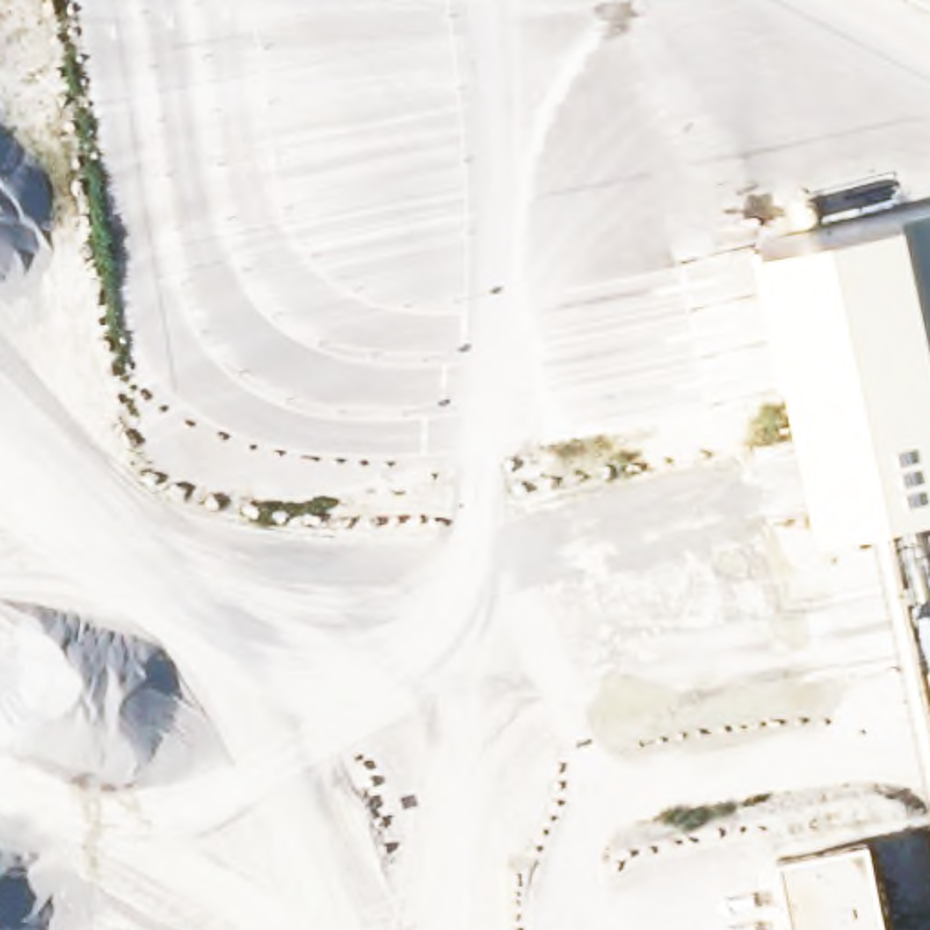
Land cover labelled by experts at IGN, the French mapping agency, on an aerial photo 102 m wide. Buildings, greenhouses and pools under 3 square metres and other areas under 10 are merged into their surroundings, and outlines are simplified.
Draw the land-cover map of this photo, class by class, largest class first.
<instances>
[{"label":"pervious surface","instance_id":"1","mask_svg":"<svg viewBox=\"0 0 930 930\"><path fill-rule=\"evenodd\" d=\"M65 7L69 36L76 40L80 65L87 73L102 163L109 171L113 200L102 203V222L109 233L113 276L124 283V320L131 331L134 360L124 378L113 374V352L105 345L98 305V272L87 251L91 211L84 196L80 138L73 113L65 105L62 44L54 18ZM894 189L908 200L930 196V0H0V930H788L785 908H770V894H763L777 876V865L825 861L854 850L872 854L886 930H930V530L821 549L806 512V487L792 443L788 411L781 407V396L774 389L752 258L716 254L712 240L716 225H723L727 218H752L763 225L774 222V207L788 214L796 229H806L814 225V211L832 214L876 203L886 200Z\"/></svg>","mask_w":930,"mask_h":930},{"label":"building","instance_id":"2","mask_svg":"<svg viewBox=\"0 0 930 930\"><path fill-rule=\"evenodd\" d=\"M716 254L752 258L774 389L781 396V407L788 411L792 443L806 487V512L821 549L930 530V196L908 200L894 189L886 200L876 203L832 214L814 211V225L806 229H796L788 214L774 207V222L763 225L752 218H727L723 225H716L712 240ZM763 894H770V908H785L788 930H886L872 854L854 850L825 861L777 865V876Z\"/></svg>","mask_w":930,"mask_h":930},{"label":"brushwood","instance_id":"3","mask_svg":"<svg viewBox=\"0 0 930 930\"><path fill-rule=\"evenodd\" d=\"M54 18L62 44L65 105L73 113L80 138L84 196L91 211L87 251L98 272V305L105 345L113 352V374L124 378L134 360L131 331L124 320V283L113 276L109 233L102 222V203L113 200L109 171L102 163L87 73L80 65L76 40L69 36L65 7Z\"/></svg>","mask_w":930,"mask_h":930}]
</instances>
